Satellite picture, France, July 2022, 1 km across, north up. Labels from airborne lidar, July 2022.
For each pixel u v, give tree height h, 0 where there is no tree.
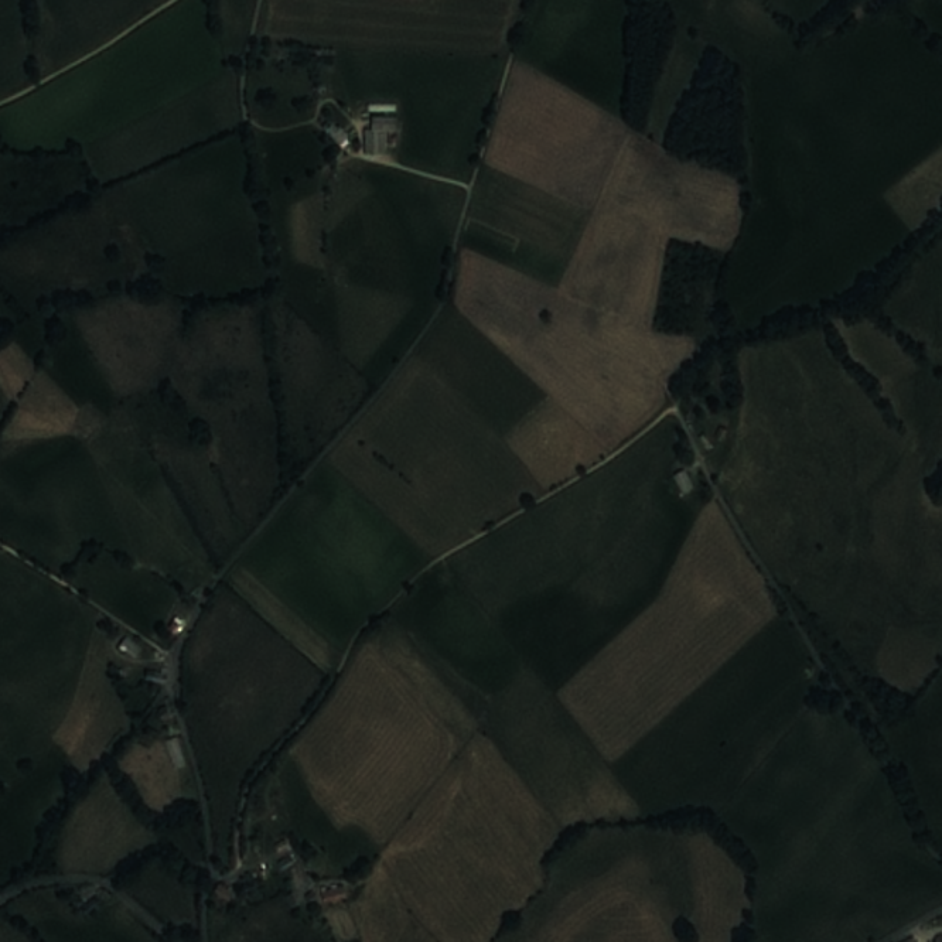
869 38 0
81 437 0
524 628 0
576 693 0
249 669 0
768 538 0
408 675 0
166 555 0
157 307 0
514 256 0
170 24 0
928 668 0
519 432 0
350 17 0
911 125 0
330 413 0
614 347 0
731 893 0
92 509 0
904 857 0
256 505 0
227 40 0
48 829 19
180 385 0
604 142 0
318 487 0
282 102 0
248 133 19
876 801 0
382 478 0
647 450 0
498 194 0
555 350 0
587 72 0
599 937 0
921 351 15
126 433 0
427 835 0
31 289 0
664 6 26
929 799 0
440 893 0
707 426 0
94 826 0
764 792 0
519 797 0
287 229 0
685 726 0
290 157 0
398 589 0
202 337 0
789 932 0
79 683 0
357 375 0
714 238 0
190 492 0
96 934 0
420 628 0
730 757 0
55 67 0
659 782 0
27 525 0
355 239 0
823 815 0
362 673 0
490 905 0
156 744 0
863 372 19
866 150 0
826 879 0
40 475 0
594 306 0
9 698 0
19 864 0
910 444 0
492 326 0
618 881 0
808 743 0
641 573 0
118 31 0
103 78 0
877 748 18
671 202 0
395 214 0
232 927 0
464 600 0
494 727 0
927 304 0
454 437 0
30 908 0
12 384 0
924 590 0
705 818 19
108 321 0
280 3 0
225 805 0
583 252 0
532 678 0
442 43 0
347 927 0
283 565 0
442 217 0
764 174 0
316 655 0
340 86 0
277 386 11
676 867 0
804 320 20
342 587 0
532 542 0
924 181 0
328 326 0
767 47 0
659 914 0
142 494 0
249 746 0
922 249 16
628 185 0
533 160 0
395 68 0
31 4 19
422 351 0
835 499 0
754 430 0
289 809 0
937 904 0
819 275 0
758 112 0
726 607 0
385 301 0
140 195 0
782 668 0
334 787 0
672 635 0
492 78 0
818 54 0
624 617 0
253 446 0
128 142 0
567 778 0
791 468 0
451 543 0
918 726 0
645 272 0
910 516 0
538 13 0
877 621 0
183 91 0
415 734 0
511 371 0
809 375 0
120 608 0
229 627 0
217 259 0
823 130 0
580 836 15
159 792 0
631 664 0
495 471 0
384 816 0
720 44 0
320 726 0
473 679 0
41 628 0
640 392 0
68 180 0
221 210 0
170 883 0
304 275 0
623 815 0
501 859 0
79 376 0
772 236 0
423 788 0
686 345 0
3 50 0
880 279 18
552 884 0
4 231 14
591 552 0
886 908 0
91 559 12
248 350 0
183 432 0
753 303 0
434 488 0
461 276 0
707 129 19
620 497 0
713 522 0
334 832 0
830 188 0
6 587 0
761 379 0
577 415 0
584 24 0
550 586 0
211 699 0
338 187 0
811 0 0
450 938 0
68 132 0
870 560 0
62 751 0
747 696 0
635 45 18
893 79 0
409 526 0
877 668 0
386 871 0
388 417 0
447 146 0
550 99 0
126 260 0
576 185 0
